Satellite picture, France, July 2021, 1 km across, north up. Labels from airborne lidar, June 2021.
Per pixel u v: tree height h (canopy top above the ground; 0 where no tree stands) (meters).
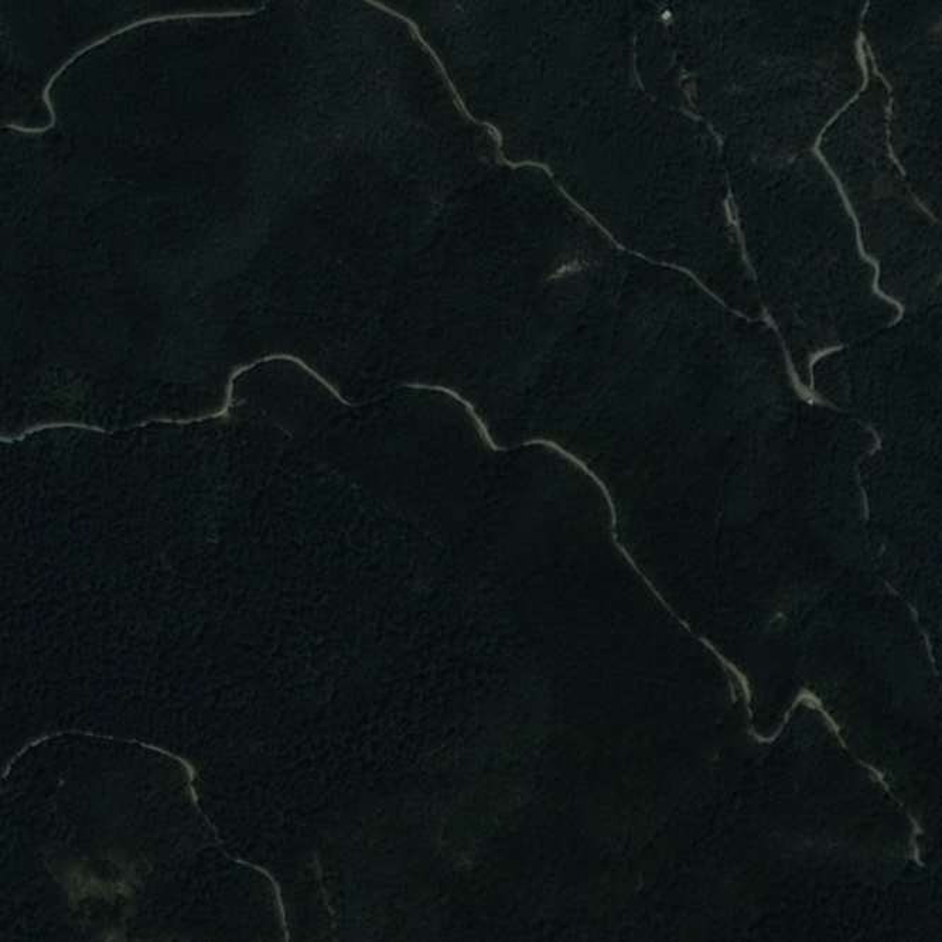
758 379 7
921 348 12
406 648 24
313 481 15
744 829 16
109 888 0
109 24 9
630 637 16
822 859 12
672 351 9
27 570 17
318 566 17
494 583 9
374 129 7
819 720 10
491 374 12
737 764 14
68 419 14
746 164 9
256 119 7
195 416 7
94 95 7
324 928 6
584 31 8
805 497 18
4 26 7
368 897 13
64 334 14
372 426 14
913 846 11
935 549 15
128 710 23
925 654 14
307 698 10
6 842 6
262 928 7
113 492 14
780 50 6
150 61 11
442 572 8
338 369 9
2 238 14
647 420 10
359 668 17
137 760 13
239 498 16
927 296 6
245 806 26
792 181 11
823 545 13
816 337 14
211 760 16
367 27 7
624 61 10
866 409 8
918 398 16
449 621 18
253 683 22
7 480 22
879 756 16
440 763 11
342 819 15
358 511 14
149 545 11
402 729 25
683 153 12
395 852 13
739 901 11
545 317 9
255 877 10
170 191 7
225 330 7
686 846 17
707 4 8
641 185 19
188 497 12
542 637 14
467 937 17
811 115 9
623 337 10
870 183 7
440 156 10
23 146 8
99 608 18
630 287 9
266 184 7
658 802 11
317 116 8
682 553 12
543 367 14
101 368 15
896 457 15
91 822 6
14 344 15
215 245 7
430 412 10
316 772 19
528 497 11
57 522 22
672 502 16
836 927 26
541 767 15
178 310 9
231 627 22
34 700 16
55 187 12
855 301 10
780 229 13
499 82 9
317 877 10
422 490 11
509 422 17
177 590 15
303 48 9
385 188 8
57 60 11
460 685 22
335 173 7
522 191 11
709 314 9
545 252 6
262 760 17
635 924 13
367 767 23
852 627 15
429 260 13
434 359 10
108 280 13
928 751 24
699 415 11
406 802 13
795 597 11
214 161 6
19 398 11
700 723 13
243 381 8
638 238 14
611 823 10
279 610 22
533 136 17
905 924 13
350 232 10
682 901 13
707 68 8
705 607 19
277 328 13
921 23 7
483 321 10
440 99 14
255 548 21
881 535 12
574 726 13
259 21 8
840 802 13
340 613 15
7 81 19
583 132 12
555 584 15
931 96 8
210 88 7
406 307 12
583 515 11
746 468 8
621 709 13
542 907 14
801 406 14
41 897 12
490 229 9
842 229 12
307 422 11
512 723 13
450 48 7
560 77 12
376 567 15
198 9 10
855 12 11
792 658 15
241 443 11
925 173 7
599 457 9
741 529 19
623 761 17
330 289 13
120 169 15
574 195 8
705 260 13
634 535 19
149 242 11
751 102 6
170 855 11
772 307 17
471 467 11
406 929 15
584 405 7
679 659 13
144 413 14
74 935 12
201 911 18
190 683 24
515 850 16
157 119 8
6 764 7
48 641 17
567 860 15
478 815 11
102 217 11
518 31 18
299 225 7
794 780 12
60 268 18
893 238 7
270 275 8
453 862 10
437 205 6
